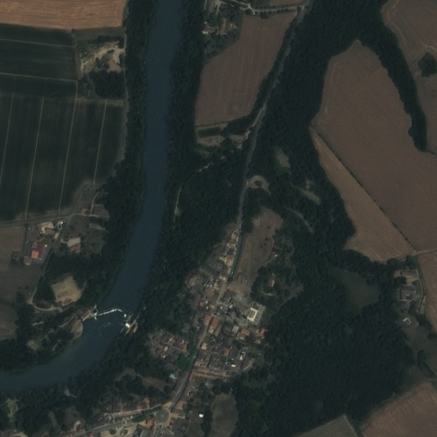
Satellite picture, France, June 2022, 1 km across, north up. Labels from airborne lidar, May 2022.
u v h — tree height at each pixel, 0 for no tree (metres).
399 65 18
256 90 0
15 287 0
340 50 15
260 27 0
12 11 0
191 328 6
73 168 0
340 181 0
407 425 0
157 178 0
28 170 0
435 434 0
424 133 12
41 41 0
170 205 14
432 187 0
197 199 20
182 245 30
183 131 21
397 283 19
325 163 0
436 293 0
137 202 16
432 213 0
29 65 0
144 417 15
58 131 0
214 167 17
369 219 0
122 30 0
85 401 14
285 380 31
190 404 6
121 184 11
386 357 23
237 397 20
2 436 0
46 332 17
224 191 20
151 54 0
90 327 0
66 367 0
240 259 0
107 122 0
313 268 35
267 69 0
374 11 13
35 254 0
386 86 0
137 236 0
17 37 0
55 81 0
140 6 21
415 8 0
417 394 0
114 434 13
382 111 0
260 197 11
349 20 18
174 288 8
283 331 21
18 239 0
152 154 0
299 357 23
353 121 0
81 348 0
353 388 21
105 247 10
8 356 9
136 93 11
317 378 17
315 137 0
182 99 22
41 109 0
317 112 11
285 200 32
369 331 29
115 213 22
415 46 0
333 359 15
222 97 0
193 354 16
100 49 0
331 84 0
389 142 0
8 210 0
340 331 29
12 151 0
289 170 9
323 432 0
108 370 16
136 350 9
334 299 25
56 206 0
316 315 19
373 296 0
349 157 0
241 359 0
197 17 6
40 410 18
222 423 0
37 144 0
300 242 21
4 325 0
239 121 12
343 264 23
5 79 0
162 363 9
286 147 14
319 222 17
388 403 0
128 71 10
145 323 9
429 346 0
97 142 0
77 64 0
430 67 12
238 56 0
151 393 13
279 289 13
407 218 0
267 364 6
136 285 0
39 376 0
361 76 0
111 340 0
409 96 22
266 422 24
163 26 0
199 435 0
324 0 13
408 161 0
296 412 17
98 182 0
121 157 0
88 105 0
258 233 0
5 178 0
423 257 0
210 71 0
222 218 20
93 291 16
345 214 11
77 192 0
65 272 18
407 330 0
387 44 26
